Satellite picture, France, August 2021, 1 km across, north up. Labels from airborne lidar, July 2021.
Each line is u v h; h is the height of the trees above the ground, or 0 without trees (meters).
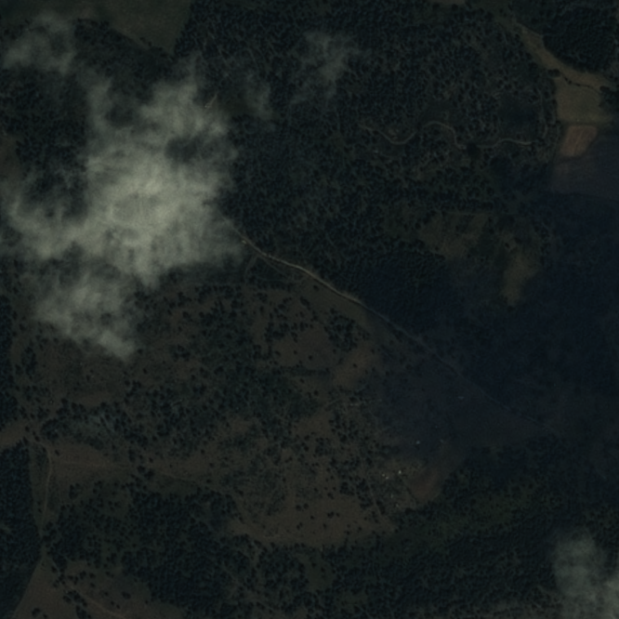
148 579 8
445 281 10
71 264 7
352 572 11
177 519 8
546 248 11
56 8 0
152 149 18
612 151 0
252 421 0
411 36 13
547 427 0
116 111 13
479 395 0
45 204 7
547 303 0
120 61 10
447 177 8
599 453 0
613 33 14
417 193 11
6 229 15
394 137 0
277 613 0
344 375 0
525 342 9
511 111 0
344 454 0
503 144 0
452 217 0
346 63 17
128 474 0
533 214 13
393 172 15
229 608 7
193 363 0
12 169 0
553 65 0
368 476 0
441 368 0
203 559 9
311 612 7
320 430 0
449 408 0
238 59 19
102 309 9
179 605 10
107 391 0
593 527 7
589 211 0
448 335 0
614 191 0
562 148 0
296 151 14
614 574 9
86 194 12
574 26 21
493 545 11
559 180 0
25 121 13
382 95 12
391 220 0
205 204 16
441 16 0
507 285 0
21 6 0
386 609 10
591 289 11
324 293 0
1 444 0
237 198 17
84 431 0
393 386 0
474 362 8
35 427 0
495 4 0
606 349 12
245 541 11
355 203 15
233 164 16
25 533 18
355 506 0
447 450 0
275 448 0
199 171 9
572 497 8
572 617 0
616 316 0
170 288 0
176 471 0
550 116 14
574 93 0
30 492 14
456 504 9
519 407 0
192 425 10
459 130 12
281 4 13
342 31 12
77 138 12
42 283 10
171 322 0
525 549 10
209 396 0
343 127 18
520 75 0
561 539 10
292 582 7
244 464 0
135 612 0
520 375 15
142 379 0
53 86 10
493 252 0
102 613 0
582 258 0
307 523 0
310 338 0
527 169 16
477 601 10
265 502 0
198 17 16
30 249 17
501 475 10
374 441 5
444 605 9
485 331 10
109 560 9
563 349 10
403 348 0
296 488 0
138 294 9
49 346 0
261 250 21
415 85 15
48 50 0
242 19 18
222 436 0
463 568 10
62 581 7
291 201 16
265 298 8
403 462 0
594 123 0
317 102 17
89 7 0
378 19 18
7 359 14
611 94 21
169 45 0
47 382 0
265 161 14
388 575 11
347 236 15
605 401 0
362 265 8
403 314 12
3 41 13
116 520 6
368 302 15
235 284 0
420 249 8
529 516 7
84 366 0
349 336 10
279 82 18
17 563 11
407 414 0
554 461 11
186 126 9
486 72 9
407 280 11
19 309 0
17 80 0
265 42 18
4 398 16
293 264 0
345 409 0
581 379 20
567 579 10
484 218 0
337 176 10
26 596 0
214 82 15
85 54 0
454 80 12
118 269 11
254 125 15
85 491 0
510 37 12
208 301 0
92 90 0
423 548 8
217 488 0
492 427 0
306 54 15
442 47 15
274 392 9
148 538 6
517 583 10
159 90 0
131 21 0
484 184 10
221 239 0
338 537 0
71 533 7
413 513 14
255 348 9
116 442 0
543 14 9
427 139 11
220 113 0
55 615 0
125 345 11
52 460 0
